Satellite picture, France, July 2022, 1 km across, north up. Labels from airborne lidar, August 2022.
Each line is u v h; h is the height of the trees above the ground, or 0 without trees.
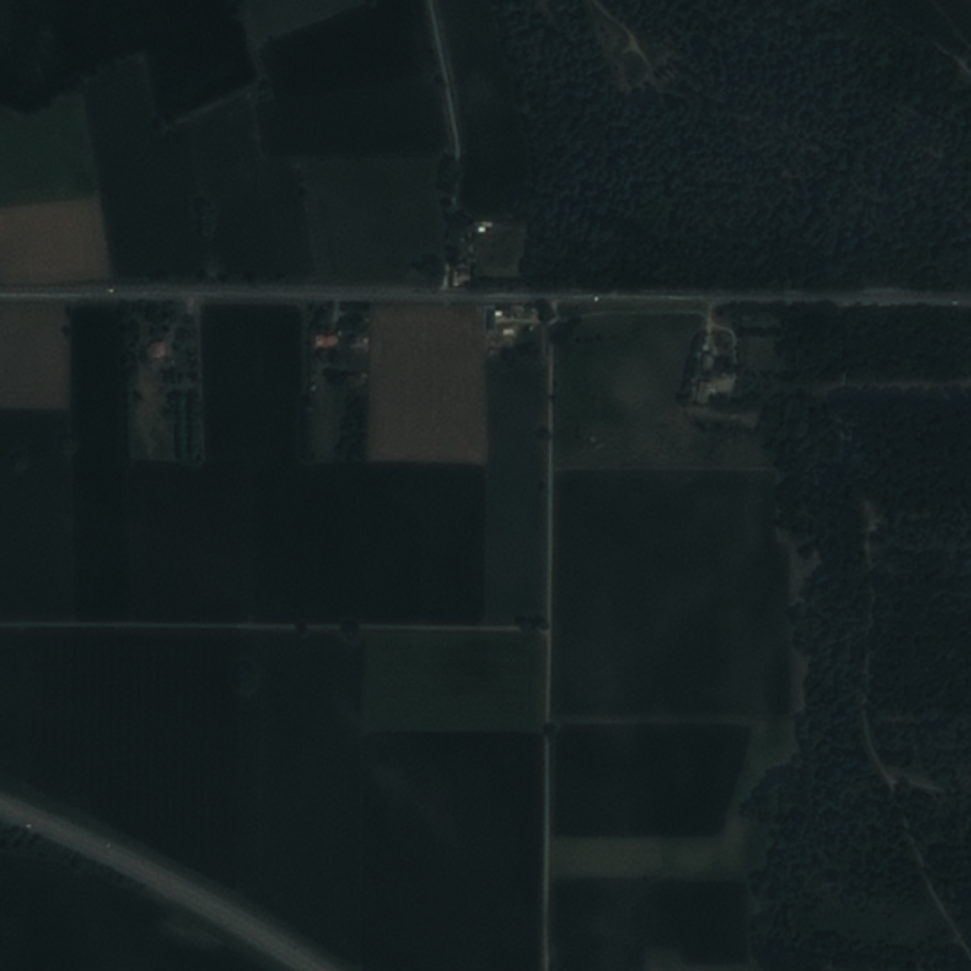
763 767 0
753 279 15
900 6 17
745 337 13
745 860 0
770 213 24
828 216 31
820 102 28
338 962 0
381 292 0
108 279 0
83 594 0
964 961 27
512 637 0
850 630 21
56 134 0
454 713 0
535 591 0
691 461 0
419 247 0
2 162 0
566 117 24
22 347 0
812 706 17
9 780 0
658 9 30
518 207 25
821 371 10
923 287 13
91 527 0
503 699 0
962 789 27
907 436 34
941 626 25
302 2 0
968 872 10
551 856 0
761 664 0
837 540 30
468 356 0
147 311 19
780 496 13
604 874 0
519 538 0
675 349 0
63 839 0
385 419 0
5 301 0
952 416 33
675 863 0
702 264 16
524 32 34
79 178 0
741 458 0
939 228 28
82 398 0
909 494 31
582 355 0
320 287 0
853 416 26
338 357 19
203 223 18
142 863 0
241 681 23
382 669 0
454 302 0
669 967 0
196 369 8
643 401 0
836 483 28
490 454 0
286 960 0
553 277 19
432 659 0
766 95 27
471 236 8
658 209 30
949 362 16
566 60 35
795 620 21
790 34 29
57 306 0
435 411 0
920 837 27
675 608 0
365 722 0
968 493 33
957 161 23
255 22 0
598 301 0
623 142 16
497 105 0
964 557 18
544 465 0
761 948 12
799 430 21
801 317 17
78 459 0
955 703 22
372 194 0
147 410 0
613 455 0
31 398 0
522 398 0
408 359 0
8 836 6
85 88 9
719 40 24
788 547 0
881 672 22
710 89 28
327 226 0
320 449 0
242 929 0
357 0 0
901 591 25
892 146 27
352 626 17
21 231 0
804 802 26
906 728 15
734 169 29
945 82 19
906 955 17
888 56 19
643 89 0
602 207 15
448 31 0
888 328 11
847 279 23
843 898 29
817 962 29
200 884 0
